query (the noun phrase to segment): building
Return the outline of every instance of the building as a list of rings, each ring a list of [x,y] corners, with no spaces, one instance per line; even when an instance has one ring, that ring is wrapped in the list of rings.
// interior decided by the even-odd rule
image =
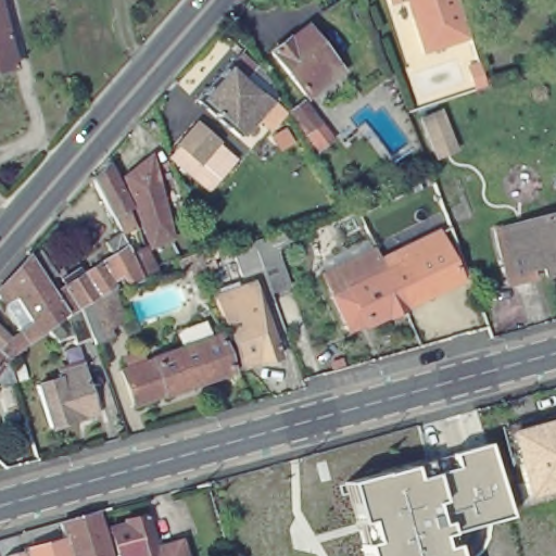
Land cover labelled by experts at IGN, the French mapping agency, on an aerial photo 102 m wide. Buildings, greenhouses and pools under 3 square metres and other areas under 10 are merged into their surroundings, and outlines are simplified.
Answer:
[[[198,395],[202,393],[204,387],[213,382],[228,380],[230,384],[239,384],[241,374],[245,369],[254,369],[258,365],[274,365],[276,358],[285,361],[289,352],[289,321],[285,317],[280,300],[289,295],[293,298],[293,287],[293,280],[282,258],[282,248],[289,243],[289,237],[276,235],[274,241],[263,239],[254,243],[248,252],[237,256],[243,273],[241,285],[222,287],[217,300],[219,315],[228,324],[235,324],[237,334],[226,341],[226,337],[211,330],[211,326],[198,324],[189,330],[182,330],[182,345],[178,350],[165,352],[156,358],[148,356],[140,358],[126,352],[122,358],[122,369],[128,382],[132,384],[137,406],[161,406],[165,397],[176,400],[178,393],[185,391],[195,391]]]
[[[243,143],[245,137],[254,135],[258,128],[265,135],[274,130],[267,141],[278,148],[291,148],[293,137],[282,126],[282,122],[287,119],[287,109],[278,104],[278,91],[263,76],[263,72],[254,67],[252,61],[235,61],[237,70],[224,72],[222,87],[209,89],[209,98],[217,104],[217,111],[209,109],[206,113],[213,119],[217,119],[239,143]]]
[[[458,330],[463,337],[487,334],[487,339],[493,339],[495,334],[489,326],[487,313],[476,313],[476,321]]]
[[[222,143],[222,139],[204,124],[195,124],[189,130],[189,135],[182,137],[178,143],[169,139],[176,146],[174,163],[185,174],[191,176],[200,187],[213,191],[235,169],[237,161],[237,156]]]
[[[456,143],[456,137],[445,113],[437,113],[421,122],[417,119],[417,115],[408,119],[417,137],[419,150],[430,148],[437,159],[443,159],[447,154],[454,154],[460,146]]]
[[[46,424],[52,430],[70,430],[78,432],[80,437],[104,432],[104,426],[98,421],[102,408],[98,404],[96,387],[91,382],[87,365],[83,361],[70,363],[67,367],[59,369],[56,380],[37,384],[37,397],[41,402]]]
[[[228,256],[226,252],[213,252],[209,256],[189,254],[180,258],[180,265],[187,271],[198,276],[202,269],[222,267],[224,258]]]
[[[410,0],[426,52],[443,52],[452,46],[471,39],[467,13],[460,0]]]
[[[504,285],[517,289],[519,285],[528,282],[536,287],[545,295],[545,300],[556,293],[556,213],[541,215],[521,224],[497,226],[502,254],[506,258],[506,271],[502,274]]]
[[[289,78],[293,91],[300,96],[298,104],[287,109],[300,119],[302,132],[311,139],[311,143],[317,150],[324,152],[330,143],[339,143],[337,126],[319,109],[326,98],[330,91],[343,85],[348,74],[348,65],[341,61],[332,43],[313,26],[300,30],[285,43],[276,46],[271,52],[274,61]]]
[[[0,0],[0,80],[17,80],[17,70],[24,59],[15,48],[7,4],[2,0]]]
[[[526,500],[530,504],[539,504],[556,497],[556,421],[539,424],[532,428],[523,428],[519,419],[502,424],[502,432],[508,441],[513,463],[521,469],[523,476]]]
[[[119,233],[103,241],[111,258],[98,269],[89,269],[72,285],[54,287],[33,252],[26,254],[26,265],[0,291],[0,391],[13,391],[17,382],[22,382],[28,380],[28,371],[24,369],[24,365],[30,358],[30,345],[52,337],[59,343],[67,343],[70,348],[78,345],[78,339],[87,339],[87,345],[98,345],[113,345],[119,337],[113,334],[113,328],[122,326],[124,311],[117,295],[119,282],[143,285],[150,274],[159,274],[159,269],[152,258],[154,252],[159,252],[161,256],[176,254],[176,239],[180,237],[176,217],[178,211],[172,200],[172,182],[167,180],[167,167],[159,161],[161,152],[159,146],[146,150],[146,154],[141,154],[132,165],[126,165],[126,176],[119,176],[111,163],[102,169],[89,167],[89,174],[85,178],[93,180],[91,187],[96,189],[100,204],[111,200],[115,213],[124,222],[124,228]]]
[[[478,56],[476,61],[471,61],[471,91],[487,87],[487,74]]]
[[[391,471],[356,482],[341,482],[339,493],[343,497],[350,497],[356,513],[356,521],[352,526],[356,534],[361,536],[361,547],[365,556],[471,556],[467,545],[456,545],[458,536],[478,530],[493,532],[495,526],[510,523],[517,521],[519,508],[510,489],[510,480],[500,447],[491,443],[456,454],[456,469],[445,471],[443,476],[428,476],[426,469],[419,467],[408,467],[402,471]]]
[[[161,545],[163,534],[159,530],[156,510],[152,515],[126,519],[119,526],[106,526],[104,517],[98,513],[63,521],[63,539],[35,545],[28,552],[15,556],[191,556],[187,545],[187,541],[176,541],[172,545]]]
[[[413,328],[413,343],[404,345],[404,350],[421,348],[421,343],[426,343],[428,337],[417,324],[415,311],[454,289],[463,289],[467,293],[471,280],[463,263],[458,252],[454,250],[458,245],[458,239],[454,224],[450,222],[445,202],[441,198],[441,187],[432,180],[415,185],[413,189],[419,193],[432,189],[432,200],[437,209],[441,213],[441,219],[447,224],[443,232],[437,230],[391,254],[382,254],[374,243],[365,254],[326,267],[326,271],[319,278],[321,282],[326,285],[326,293],[339,313],[343,330],[363,332],[376,328],[387,321],[408,324]]]

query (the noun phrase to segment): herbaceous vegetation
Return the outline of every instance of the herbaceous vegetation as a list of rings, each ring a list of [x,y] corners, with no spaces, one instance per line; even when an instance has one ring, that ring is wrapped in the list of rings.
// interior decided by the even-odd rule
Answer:
[[[413,217],[419,215],[419,219],[426,219],[437,209],[432,200],[432,189],[419,193],[413,189],[410,198],[395,195],[395,206],[391,211],[371,213],[367,219],[371,235],[380,232],[387,239],[393,232],[400,232],[402,228],[410,226]]]
[[[228,380],[213,382],[204,387],[202,393],[209,393],[222,402],[230,395],[230,384]]]
[[[137,126],[141,126],[146,135],[159,143],[153,102],[139,115]]]
[[[295,321],[289,321],[289,352],[293,354],[298,369],[306,365],[304,354],[298,345],[300,328]]]
[[[517,556],[517,547],[510,536],[510,523],[495,526],[493,532],[478,530],[458,536],[456,545],[467,545],[471,556]]]
[[[209,547],[215,543],[215,539],[222,536],[241,539],[250,547],[252,556],[315,556],[295,549],[291,541],[291,465],[263,469],[250,476],[206,484],[198,491],[191,491],[182,502],[193,519],[195,541],[187,545],[191,556],[209,556]]]
[[[324,549],[328,556],[365,556],[361,547],[361,536],[356,534],[326,541]]]
[[[376,59],[374,41],[369,39],[365,28],[369,4],[365,0],[339,0],[326,13],[326,17],[311,15],[313,26],[332,43],[341,61],[348,65],[348,74],[356,72],[367,93],[376,85],[384,83],[387,76],[382,63]]]
[[[9,98],[0,104],[0,146],[7,146],[24,137],[30,128],[30,113],[20,91],[15,98]]]
[[[508,441],[502,432],[502,424],[519,419],[523,428],[532,428],[539,424],[556,421],[556,389],[541,393],[541,410],[526,413],[521,417],[517,417],[515,410],[506,406],[495,406],[482,413],[482,434],[491,443],[500,447],[510,480],[510,489],[519,508],[517,521],[523,536],[526,556],[556,556],[556,497],[539,504],[530,504],[526,500],[523,476],[521,469],[513,463]]]
[[[159,269],[163,263],[174,267],[180,265],[180,258],[189,254],[180,237],[176,239],[176,254],[161,256],[159,252],[154,252],[152,258]]]
[[[132,30],[139,30],[146,37],[150,37],[156,24],[161,24],[167,17],[178,0],[156,0],[156,15],[148,17],[146,22],[132,20]]]
[[[13,161],[4,163],[7,169],[17,172],[30,161],[30,156],[37,150],[22,152]]]
[[[167,315],[152,317],[146,321],[139,319],[139,332],[135,332],[130,339],[143,343],[148,356],[156,358],[165,352],[178,350],[182,345],[182,330],[189,330],[198,324],[211,326],[219,315],[217,300],[206,300],[206,306],[198,306],[187,321],[176,324],[176,317]]]
[[[358,445],[332,450],[321,456],[300,458],[300,502],[311,530],[315,534],[321,534],[343,526],[352,526],[356,521],[356,513],[350,497],[343,497],[339,493],[341,482],[356,482],[391,471],[402,471],[408,467],[419,467],[426,447],[419,443],[417,428],[393,432],[389,437],[380,437]]]
[[[195,391],[185,391],[178,393],[176,400],[165,397],[161,406],[163,410],[176,410],[185,406],[191,397],[198,395]]]
[[[378,334],[376,328],[363,332],[343,330],[339,313],[326,293],[326,285],[321,282],[313,289],[308,282],[304,287],[293,287],[293,298],[300,317],[306,324],[311,345],[319,352],[324,345],[332,341],[339,354],[343,354],[343,361],[352,365],[361,361],[391,356],[393,352],[404,350],[404,345],[391,348],[391,334]]]
[[[85,261],[74,267],[54,267],[48,258],[46,232],[35,241],[33,252],[54,287],[72,285],[89,269]]]
[[[508,172],[528,165],[530,180],[539,182],[536,198],[523,209],[521,215],[513,215],[510,211],[493,211],[484,206],[480,198],[478,178],[469,169],[452,167],[447,163],[445,169],[437,174],[432,180],[441,187],[441,198],[445,202],[450,222],[454,224],[458,239],[458,245],[454,250],[458,252],[463,263],[471,256],[497,263],[491,228],[497,226],[521,224],[541,215],[556,213],[556,83],[530,80],[528,76],[523,76],[523,65],[515,65],[513,59],[517,54],[526,56],[536,46],[534,37],[541,30],[545,30],[552,22],[547,15],[523,15],[519,24],[513,22],[508,28],[502,28],[500,41],[491,52],[500,67],[493,67],[487,74],[487,87],[471,91],[447,102],[437,102],[426,111],[417,111],[417,106],[404,113],[408,119],[417,115],[417,119],[421,122],[437,113],[445,113],[456,137],[456,143],[460,146],[454,154],[458,161],[473,163],[482,169],[487,178],[487,193],[493,202],[500,204],[510,204],[513,200],[504,189]],[[508,72],[523,76],[517,85],[508,87],[495,87],[491,83],[493,76]]]
[[[17,0],[15,9],[24,35],[26,30],[30,30],[30,20],[35,15],[48,13],[48,24],[56,39],[56,43],[50,50],[39,48],[35,52],[28,52],[26,61],[30,63],[35,76],[33,87],[43,113],[48,139],[65,124],[72,98],[85,91],[89,102],[104,85],[109,85],[115,78],[122,65],[126,65],[130,54],[126,54],[119,46],[117,35],[111,33],[111,4],[115,0]]]
[[[146,493],[124,502],[106,502],[106,510],[98,513],[104,517],[106,526],[119,526],[126,519],[152,515],[156,510],[156,506],[152,504],[152,493]]]
[[[209,89],[222,87],[224,72],[237,70],[235,61],[252,61],[245,50],[239,48],[237,52],[226,52],[226,56],[211,70],[211,74],[193,91],[189,91],[189,98],[206,113],[209,109],[217,111],[217,104],[209,98]]]
[[[187,185],[189,198],[195,204],[209,206],[217,235],[248,235],[254,243],[263,239],[258,230],[261,222],[269,222],[271,228],[280,230],[282,226],[291,226],[298,222],[311,222],[306,209],[326,204],[324,191],[317,187],[317,182],[306,169],[321,161],[330,178],[337,176],[345,180],[345,165],[358,161],[365,167],[365,172],[354,176],[358,187],[369,191],[378,189],[378,180],[369,176],[367,169],[380,159],[376,148],[365,137],[361,137],[356,143],[350,143],[348,148],[339,143],[330,143],[324,152],[317,150],[313,154],[311,150],[298,152],[291,148],[278,148],[269,159],[265,159],[254,146],[248,148],[245,156],[237,161],[235,169],[213,191],[200,187],[191,176],[185,174],[182,185]]]
[[[70,363],[63,356],[63,352],[70,348],[67,343],[59,343],[52,337],[30,345],[30,358],[24,365],[24,369],[28,371],[28,380],[22,382],[28,393],[30,413],[35,417],[39,434],[33,443],[39,450],[46,445],[48,434],[52,430],[46,424],[41,402],[37,397],[37,384],[56,380],[59,369],[67,367]]]

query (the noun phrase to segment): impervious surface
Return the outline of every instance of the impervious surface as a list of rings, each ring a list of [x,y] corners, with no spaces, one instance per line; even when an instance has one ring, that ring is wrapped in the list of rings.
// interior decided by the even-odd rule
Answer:
[[[89,167],[102,169],[111,163],[113,154],[122,156],[130,148],[130,139],[137,126],[139,115],[153,102],[156,96],[163,96],[167,102],[163,122],[169,139],[178,143],[182,137],[189,135],[189,130],[195,124],[204,124],[222,139],[222,143],[237,156],[237,161],[245,156],[248,148],[254,146],[265,159],[269,159],[278,148],[267,141],[274,130],[265,135],[258,128],[254,135],[245,137],[243,143],[239,143],[217,119],[213,119],[206,113],[189,98],[189,91],[193,91],[211,74],[211,70],[226,56],[226,52],[237,52],[239,48],[237,43],[224,41],[215,43],[215,48],[206,46],[213,30],[217,30],[224,20],[235,20],[254,39],[258,50],[267,48],[271,52],[276,46],[285,43],[300,30],[313,26],[311,15],[326,17],[326,13],[339,0],[306,0],[306,11],[256,13],[250,0],[178,0],[167,17],[163,30],[152,39],[150,48],[146,52],[132,50],[130,54],[126,65],[126,72],[89,111],[87,117],[83,115],[74,122],[59,150],[48,143],[41,150],[46,152],[46,165],[26,185],[13,189],[9,195],[0,193],[0,291],[26,265],[26,254],[33,252],[35,241],[46,232],[54,224],[70,219],[65,215],[65,209],[76,206],[89,193],[91,187],[93,180],[85,178],[89,174]]]
[[[478,56],[471,39],[452,46],[443,52],[426,52],[410,0],[389,0],[387,11],[393,22],[393,30],[410,80],[426,66],[455,56],[460,60],[467,83],[417,99],[417,106],[417,111],[426,111],[437,102],[447,102],[471,91],[471,61],[476,61]]]
[[[502,254],[497,226],[491,228],[497,263],[502,274],[506,271],[506,258]]]
[[[224,258],[222,267],[226,271],[224,282],[219,282],[222,287],[241,285],[243,273],[237,256],[228,256]]]
[[[491,443],[482,434],[482,413],[495,406],[506,406],[515,410],[517,417],[521,417],[526,413],[541,410],[541,393],[556,389],[556,293],[545,300],[545,295],[536,287],[528,282],[519,285],[517,289],[504,285],[500,295],[495,295],[491,311],[487,313],[489,326],[495,334],[493,339],[487,339],[487,334],[463,337],[458,330],[428,337],[426,343],[421,343],[421,348],[404,350],[393,352],[391,356],[361,361],[352,365],[343,361],[328,356],[326,365],[332,369],[326,374],[317,374],[313,367],[306,365],[298,369],[293,354],[289,352],[285,361],[276,358],[274,365],[258,365],[254,369],[269,384],[271,397],[258,400],[256,404],[245,404],[243,400],[235,400],[230,395],[222,402],[219,415],[200,417],[195,421],[148,432],[143,428],[143,415],[137,410],[137,406],[132,384],[128,382],[122,369],[122,358],[126,352],[128,332],[122,326],[113,328],[113,334],[119,337],[113,345],[115,356],[111,369],[104,371],[102,367],[98,367],[98,345],[87,345],[87,339],[78,339],[78,345],[70,348],[63,352],[63,356],[70,363],[83,361],[87,365],[91,382],[96,387],[98,404],[102,408],[98,421],[104,426],[104,432],[106,443],[100,447],[83,450],[72,456],[59,456],[54,460],[43,460],[39,454],[30,460],[7,465],[7,469],[0,469],[0,556],[15,556],[28,552],[35,545],[63,539],[63,521],[98,513],[106,510],[106,502],[124,502],[146,493],[152,493],[152,504],[156,506],[156,510],[159,530],[163,534],[161,545],[172,545],[176,541],[187,541],[187,545],[195,541],[193,519],[182,502],[191,491],[198,491],[206,484],[250,476],[263,469],[291,465],[291,541],[295,549],[315,556],[328,556],[324,549],[326,541],[356,534],[352,526],[343,526],[321,534],[315,534],[311,530],[300,502],[300,458],[321,456],[332,450],[358,445],[380,437],[389,437],[393,432],[417,428],[419,443],[426,447],[419,467],[426,469],[428,476],[443,476],[445,471],[456,469],[456,454]]]
[[[380,159],[387,165],[400,167],[400,161],[404,156],[419,150],[417,137],[408,119],[404,113],[402,100],[395,93],[400,83],[395,76],[387,76],[384,83],[376,85],[367,93],[361,93],[358,98],[345,104],[334,104],[326,98],[319,109],[337,126],[339,143],[348,148],[350,143],[356,143],[361,137],[365,137],[376,148]],[[404,135],[404,146],[400,150],[387,150],[367,124],[354,124],[354,115],[363,109],[387,113],[391,122],[397,126],[397,130]]]
[[[528,165],[508,172],[504,189],[513,200],[510,204],[500,204],[493,202],[487,193],[487,178],[482,169],[473,163],[458,161],[454,154],[447,154],[443,159],[447,163],[452,167],[469,169],[478,178],[480,198],[484,206],[493,211],[510,211],[513,215],[521,215],[523,209],[536,198],[539,182],[530,180]]]
[[[437,230],[443,232],[447,224],[441,219],[441,213],[437,209],[426,219],[419,219],[419,215],[413,217],[410,226],[402,228],[400,232],[393,232],[387,239],[380,232],[371,235],[367,219],[363,215],[334,219],[328,226],[319,228],[317,239],[311,248],[302,248],[302,265],[313,269],[313,274],[319,278],[326,271],[326,267],[365,254],[374,243],[382,254],[391,254]]]
[[[13,391],[0,391],[0,415],[7,415],[20,432],[20,437],[33,443],[39,434],[35,417],[30,413],[20,415],[15,410]]]
[[[176,324],[187,321],[198,306],[206,306],[206,300],[200,293],[195,280],[198,276],[187,271],[187,276],[154,291],[180,293],[182,302],[167,315],[176,317]]]

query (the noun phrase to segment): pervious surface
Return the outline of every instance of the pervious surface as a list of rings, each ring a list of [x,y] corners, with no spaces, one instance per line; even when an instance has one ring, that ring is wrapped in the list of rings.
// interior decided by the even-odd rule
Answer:
[[[113,154],[111,163],[119,176],[126,176],[126,165],[132,165],[141,154],[146,154],[146,150],[159,146],[159,143],[146,135],[141,126],[137,126],[130,139],[130,148],[122,156]]]
[[[463,289],[454,289],[415,311],[417,324],[428,337],[458,330],[476,321],[476,313],[467,304],[467,293]]]
[[[150,37],[146,37],[139,30],[132,30],[132,20],[130,4],[135,0],[115,0],[111,4],[111,33],[117,35],[119,46],[126,54],[130,54],[132,50],[146,52],[150,48],[152,39],[163,30],[167,17],[161,24],[156,24]]]
[[[126,65],[122,65],[115,78],[109,85],[104,85],[89,102],[89,111],[126,72]]]
[[[111,200],[100,204],[96,189],[91,187],[89,193],[76,206],[65,209],[65,215],[70,219],[54,224],[59,230],[87,230],[93,252],[85,261],[89,269],[98,269],[111,258],[103,241],[119,233],[124,228],[124,222],[115,213]]]
[[[317,374],[326,374],[332,369],[326,365],[328,356],[343,361],[343,354],[339,354],[332,341],[324,345],[319,352],[311,345],[306,324],[300,317],[293,298],[289,295],[280,300],[285,317],[289,321],[295,321],[300,328],[298,345],[304,354],[306,365],[313,367]]]
[[[20,91],[30,113],[30,128],[24,137],[7,146],[0,146],[0,165],[4,163],[13,161],[22,152],[37,150],[41,150],[48,143],[48,139],[43,113],[33,87],[35,76],[30,63],[26,61],[28,52],[24,35],[15,9],[17,0],[2,0],[7,4],[15,48],[24,59],[17,70],[17,80]]]
[[[182,204],[182,195],[172,172],[169,156],[161,152],[159,161],[167,167],[167,180],[172,182],[172,200],[178,211],[176,217],[187,217],[187,206]]]

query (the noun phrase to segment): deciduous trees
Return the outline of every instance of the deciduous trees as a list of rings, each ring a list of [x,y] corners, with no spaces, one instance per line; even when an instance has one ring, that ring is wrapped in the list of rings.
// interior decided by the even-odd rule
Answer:
[[[211,326],[211,330],[226,337],[226,341],[237,334],[235,324],[228,324],[219,315]]]
[[[230,384],[230,395],[235,400],[243,400],[245,404],[256,404],[258,400],[271,397],[269,384],[254,369],[245,369],[241,374],[239,384]]]
[[[185,406],[195,406],[200,417],[219,415],[222,402],[209,393],[202,393],[198,395],[191,397]]]
[[[487,313],[491,311],[495,295],[500,295],[504,285],[502,274],[497,263],[471,256],[463,263],[471,280],[467,293],[467,304],[476,313]]]
[[[209,206],[195,204],[187,206],[187,217],[176,217],[180,237],[189,254],[209,256],[213,252],[226,252],[228,256],[237,256],[248,252],[254,243],[248,235],[217,235]]]
[[[7,169],[4,163],[0,165],[0,193],[9,195],[13,189],[26,185],[17,172]]]
[[[387,321],[376,328],[378,334],[391,334],[391,348],[404,345],[413,343],[413,328],[408,324]]]
[[[148,17],[156,15],[156,0],[135,0],[130,4],[132,20],[146,22]]]
[[[256,13],[306,11],[306,0],[250,0]]]
[[[367,93],[356,72],[348,74],[343,85],[330,91],[326,98],[334,104],[345,104],[358,98],[361,93]]]
[[[0,104],[9,98],[15,98],[20,91],[17,80],[0,80]]]
[[[93,252],[87,230],[59,230],[54,224],[46,232],[48,258],[54,267],[74,267],[85,261]]]
[[[115,356],[113,345],[98,345],[98,367],[102,367],[104,371],[111,369]]]
[[[30,30],[26,30],[24,35],[28,52],[35,52],[39,48],[50,50],[56,43],[56,39],[48,24],[48,13],[35,15],[30,20]]]
[[[250,547],[241,539],[222,536],[215,539],[215,543],[209,547],[209,556],[252,556]]]
[[[478,56],[487,74],[493,67],[500,67],[491,52],[500,41],[502,28],[508,28],[513,22],[519,24],[523,15],[547,15],[552,22],[545,30],[541,30],[534,37],[536,46],[526,56],[517,54],[513,59],[515,65],[523,65],[523,76],[528,76],[530,80],[556,83],[556,0],[460,0],[467,13],[471,39]]]
[[[410,198],[413,189],[415,185],[432,180],[437,174],[445,169],[447,163],[443,159],[437,159],[430,148],[419,150],[404,156],[400,161],[400,167],[387,165],[380,159],[367,169],[369,176],[378,180],[378,189],[369,191],[358,187],[354,176],[365,172],[365,167],[358,161],[345,165],[345,180],[337,176],[330,178],[334,193],[332,204],[326,204],[306,209],[311,222],[298,222],[291,226],[282,226],[280,230],[271,228],[269,222],[261,222],[258,230],[263,239],[274,241],[276,235],[289,237],[289,243],[282,248],[282,258],[293,280],[293,287],[304,287],[308,282],[313,289],[321,282],[319,278],[313,274],[313,269],[302,265],[302,248],[311,248],[317,239],[319,228],[328,226],[334,219],[363,215],[367,219],[371,213],[391,211],[395,206],[395,195]]]
[[[46,445],[72,443],[80,437],[78,432],[70,430],[52,430],[48,434]]]
[[[187,271],[180,265],[174,267],[163,263],[159,269],[159,274],[150,274],[143,285],[119,282],[117,295],[124,311],[122,326],[128,332],[126,352],[140,358],[148,356],[143,343],[130,339],[135,332],[139,332],[139,319],[132,298],[154,291],[187,276]]]
[[[224,282],[226,271],[222,267],[202,269],[198,276],[195,280],[200,293],[206,300],[217,300],[222,287],[219,282]]]
[[[517,85],[523,76],[508,72],[493,76],[491,83],[495,87],[508,87]]]
[[[20,437],[20,432],[7,415],[0,415],[0,469],[7,469],[7,465],[30,460],[39,454],[39,450],[33,443]]]

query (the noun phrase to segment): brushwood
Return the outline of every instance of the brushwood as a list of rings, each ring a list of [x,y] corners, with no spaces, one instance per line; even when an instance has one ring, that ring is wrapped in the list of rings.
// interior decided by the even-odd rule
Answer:
[[[317,182],[317,187],[324,191],[326,204],[332,204],[334,193],[330,178],[321,161],[306,169]]]
[[[20,415],[30,413],[28,393],[22,382],[17,382],[13,391],[15,410]]]
[[[404,113],[417,106],[417,99],[410,80],[393,30],[393,22],[387,11],[389,0],[365,0],[369,4],[365,28],[369,39],[374,41],[376,59],[382,63],[387,76],[395,76],[400,83],[395,93],[402,100]]]
[[[85,91],[72,98],[65,124],[48,139],[48,143],[59,150],[74,122],[83,115],[87,117],[89,111],[89,102]]]
[[[263,76],[278,91],[278,104],[287,109],[298,104],[300,96],[293,91],[289,78],[274,61],[271,52],[267,48],[258,50],[254,39],[235,20],[224,20],[217,30],[213,30],[206,46],[215,48],[215,43],[224,41],[237,43],[239,48],[245,50],[252,61],[254,67],[263,72]]]
[[[30,161],[17,172],[26,185],[46,165],[46,152],[41,150],[37,150],[30,156]]]
[[[293,137],[291,148],[298,152],[311,150],[313,154],[317,150],[311,143],[311,139],[302,132],[300,119],[287,109],[287,119],[282,122],[282,126]]]
[[[163,96],[156,96],[153,102],[159,143],[159,146],[161,152],[169,156],[172,172],[182,195],[182,204],[187,206],[195,204],[189,198],[187,185],[182,185],[185,174],[174,163],[176,146],[169,139],[163,122],[167,102]]]
[[[526,556],[523,536],[517,521],[510,523],[510,536],[517,547],[517,556]]]
[[[39,454],[43,460],[54,460],[59,456],[72,456],[83,450],[100,447],[106,443],[104,432],[80,437],[72,443],[46,445],[39,450]]]
[[[195,406],[185,406],[176,410],[163,410],[161,406],[137,406],[137,410],[143,415],[143,428],[148,432],[195,421],[200,417]]]

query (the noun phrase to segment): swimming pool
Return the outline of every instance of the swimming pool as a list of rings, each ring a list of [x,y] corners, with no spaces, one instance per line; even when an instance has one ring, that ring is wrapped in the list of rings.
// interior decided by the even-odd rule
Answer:
[[[363,109],[354,115],[354,124],[367,124],[387,150],[400,150],[404,146],[404,135],[397,130],[397,126],[391,122],[387,113]]]
[[[154,291],[132,298],[139,319],[146,321],[152,317],[167,315],[182,302],[180,293]]]
[[[410,80],[417,99],[467,83],[460,60],[455,56],[426,66]]]

